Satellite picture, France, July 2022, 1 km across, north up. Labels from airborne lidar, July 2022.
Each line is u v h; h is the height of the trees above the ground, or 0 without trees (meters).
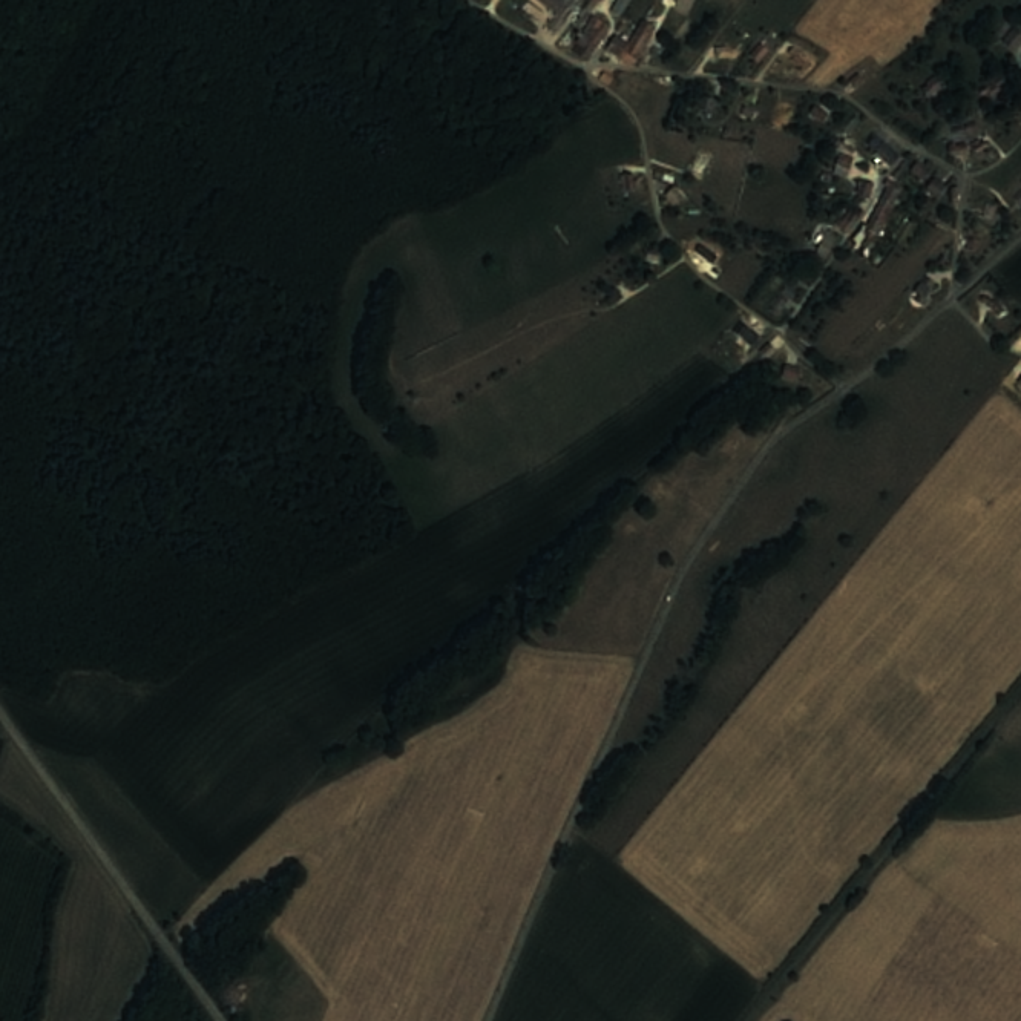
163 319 17
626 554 0
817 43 0
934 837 0
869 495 0
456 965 0
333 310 17
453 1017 0
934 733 0
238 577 20
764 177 16
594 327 0
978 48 18
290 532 20
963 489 0
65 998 0
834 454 0
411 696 27
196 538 20
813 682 0
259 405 22
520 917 0
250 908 26
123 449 15
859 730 0
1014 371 0
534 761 0
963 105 6
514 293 0
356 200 16
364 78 16
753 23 0
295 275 18
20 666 16
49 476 22
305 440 24
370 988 0
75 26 18
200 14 16
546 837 0
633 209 0
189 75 26
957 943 0
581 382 0
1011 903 0
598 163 0
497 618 24
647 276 15
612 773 21
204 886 0
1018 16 17
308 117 16
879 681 0
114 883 0
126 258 27
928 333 0
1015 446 0
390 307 23
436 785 0
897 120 8
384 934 0
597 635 0
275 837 0
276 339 23
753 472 0
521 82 26
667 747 0
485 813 0
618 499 22
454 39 26
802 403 11
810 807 0
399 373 0
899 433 0
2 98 21
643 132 0
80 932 0
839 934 0
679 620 0
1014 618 0
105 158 27
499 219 0
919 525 0
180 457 22
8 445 15
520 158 25
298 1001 0
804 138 9
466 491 0
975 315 0
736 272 0
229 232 17
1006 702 11
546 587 23
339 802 0
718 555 0
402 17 26
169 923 9
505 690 0
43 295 24
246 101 18
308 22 24
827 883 0
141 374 22
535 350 0
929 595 0
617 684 0
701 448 16
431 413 0
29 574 15
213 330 23
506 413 0
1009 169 0
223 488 16
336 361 20
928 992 0
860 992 0
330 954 0
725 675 0
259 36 18
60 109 16
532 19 0
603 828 0
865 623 0
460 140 19
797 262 17
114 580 15
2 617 15
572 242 0
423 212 15
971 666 0
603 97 15
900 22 0
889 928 0
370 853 0
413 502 0
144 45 18
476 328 0
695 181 9
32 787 0
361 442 22
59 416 14
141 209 19
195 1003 8
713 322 0
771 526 0
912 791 0
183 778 0
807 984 0
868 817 0
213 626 18
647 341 0
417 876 0
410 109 16
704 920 0
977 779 0
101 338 25
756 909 0
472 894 0
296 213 16
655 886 0
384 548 18
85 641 16
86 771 0
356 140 23
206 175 16
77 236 23
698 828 0
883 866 0
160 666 17
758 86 0
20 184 18
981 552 0
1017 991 0
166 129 21
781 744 0
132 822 0
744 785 0
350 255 16
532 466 0
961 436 0
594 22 0
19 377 21
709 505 0
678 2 0
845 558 0
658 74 0
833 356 0
